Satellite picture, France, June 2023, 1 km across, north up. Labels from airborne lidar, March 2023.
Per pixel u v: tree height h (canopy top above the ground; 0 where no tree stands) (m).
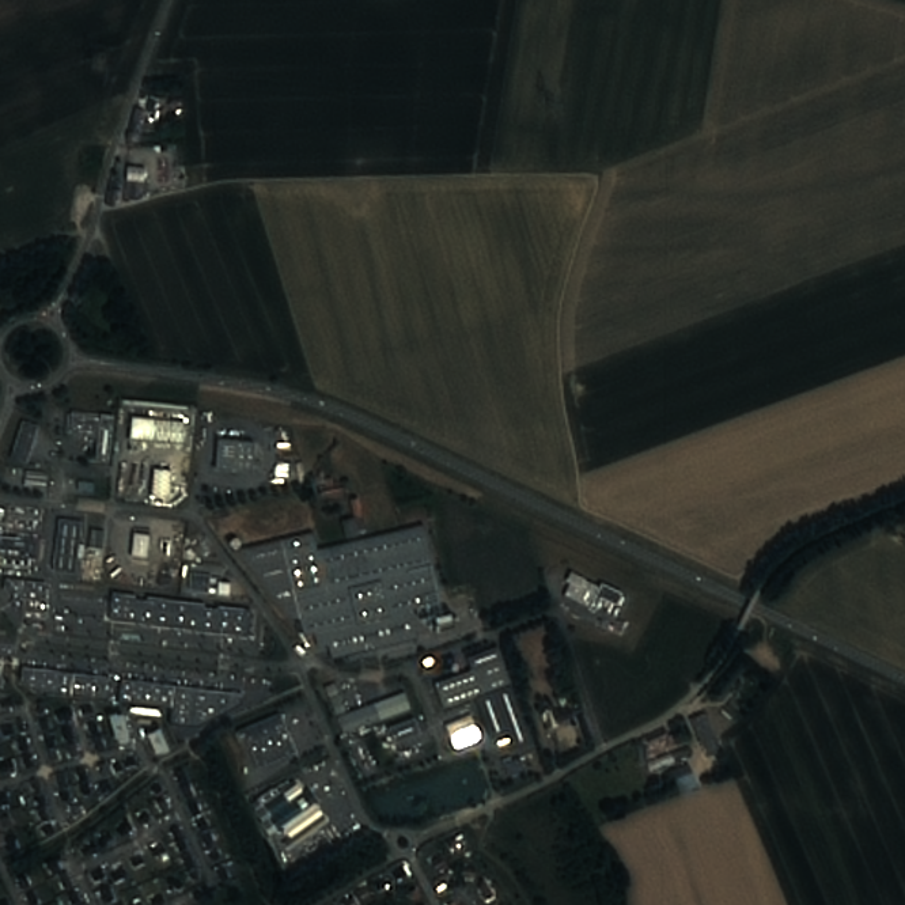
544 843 0
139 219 0
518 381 0
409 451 0
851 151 0
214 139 0
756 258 0
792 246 0
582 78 0
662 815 0
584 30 0
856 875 0
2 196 0
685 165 0
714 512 0
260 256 0
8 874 6
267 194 0
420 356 0
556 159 0
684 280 0
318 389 0
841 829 0
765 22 0
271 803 0
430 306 0
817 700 0
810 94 0
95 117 0
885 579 0
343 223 0
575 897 0
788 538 13
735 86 0
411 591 0
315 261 0
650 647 0
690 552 0
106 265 13
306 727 0
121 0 0
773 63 0
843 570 0
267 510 0
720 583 0
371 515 0
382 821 10
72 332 8
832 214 0
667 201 0
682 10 0
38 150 0
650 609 0
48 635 0
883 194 0
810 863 0
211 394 0
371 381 0
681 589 0
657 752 0
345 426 0
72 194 0
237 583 0
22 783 0
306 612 0
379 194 0
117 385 0
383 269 0
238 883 0
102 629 0
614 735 0
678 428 0
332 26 0
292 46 0
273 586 0
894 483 0
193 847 0
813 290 0
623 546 0
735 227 0
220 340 0
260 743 0
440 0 0
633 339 0
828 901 0
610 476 0
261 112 0
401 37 0
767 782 0
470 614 0
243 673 0
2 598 0
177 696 0
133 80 0
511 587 0
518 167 0
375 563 0
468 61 0
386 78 0
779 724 0
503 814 0
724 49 0
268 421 0
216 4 0
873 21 0
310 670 0
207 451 0
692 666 0
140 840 0
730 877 0
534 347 0
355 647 0
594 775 0
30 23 0
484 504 0
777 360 0
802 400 0
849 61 0
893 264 0
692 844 0
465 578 0
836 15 0
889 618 0
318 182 0
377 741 0
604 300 0
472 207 0
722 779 11
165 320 0
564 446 0
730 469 0
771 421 0
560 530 0
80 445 0
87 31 0
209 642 0
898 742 0
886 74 0
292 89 0
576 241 0
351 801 0
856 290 0
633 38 0
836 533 8
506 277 0
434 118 0
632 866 0
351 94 0
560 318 0
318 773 0
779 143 0
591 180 0
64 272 10
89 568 0
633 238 0
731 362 0
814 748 0
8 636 0
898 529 0
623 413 0
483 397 0
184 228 0
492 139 0
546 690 0
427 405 0
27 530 0
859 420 0
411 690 0
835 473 0
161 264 0
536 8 0
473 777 0
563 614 0
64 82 0
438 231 0
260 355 0
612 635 0
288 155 0
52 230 0
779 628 0
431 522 0
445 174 0
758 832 0
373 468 0
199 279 0
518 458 0
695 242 0
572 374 0
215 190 0
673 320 0
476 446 0
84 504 0
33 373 11
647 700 0
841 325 0
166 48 0
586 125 0
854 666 0
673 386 0
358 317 0
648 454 0
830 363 0
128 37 0
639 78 0
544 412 0
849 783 0
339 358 0
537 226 0
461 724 0
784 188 0
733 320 0
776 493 0
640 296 0
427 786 0
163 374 0
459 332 0
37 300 9
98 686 0
